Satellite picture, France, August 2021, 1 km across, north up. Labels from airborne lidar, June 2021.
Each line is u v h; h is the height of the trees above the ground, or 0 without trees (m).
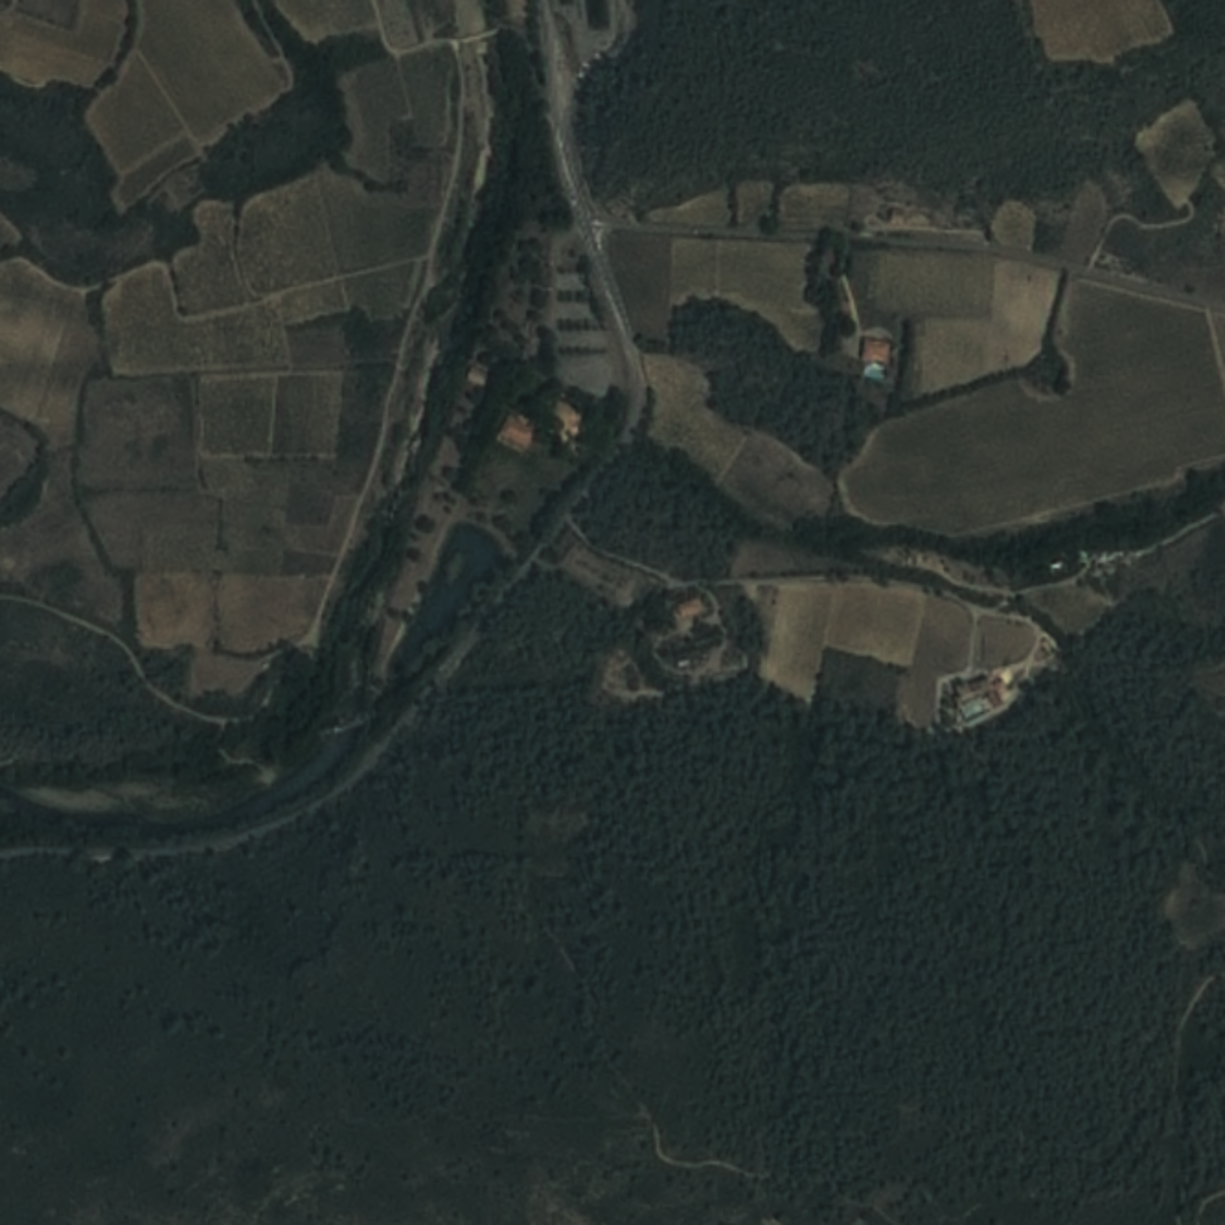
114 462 0
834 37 9
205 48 0
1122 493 0
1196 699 13
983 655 0
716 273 0
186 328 0
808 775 7
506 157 9
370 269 0
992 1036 14
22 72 0
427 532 11
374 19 0
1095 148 7
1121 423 0
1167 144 0
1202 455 0
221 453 0
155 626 0
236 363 0
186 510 0
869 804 13
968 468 0
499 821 9
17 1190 0
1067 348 0
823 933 9
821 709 13
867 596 0
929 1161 9
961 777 17
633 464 14
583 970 12
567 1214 0
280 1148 0
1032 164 7
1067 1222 7
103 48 0
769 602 0
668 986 11
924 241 0
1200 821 12
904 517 0
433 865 8
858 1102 9
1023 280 0
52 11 0
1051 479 0
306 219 0
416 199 0
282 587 0
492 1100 0
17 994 14
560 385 12
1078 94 9
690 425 0
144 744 6
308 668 25
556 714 12
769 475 0
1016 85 7
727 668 0
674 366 0
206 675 0
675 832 7
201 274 0
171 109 0
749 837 17
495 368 11
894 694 0
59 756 16
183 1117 0
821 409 13
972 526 0
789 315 0
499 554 0
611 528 11
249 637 0
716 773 11
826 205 0
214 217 0
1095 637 9
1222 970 11
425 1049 7
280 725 16
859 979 8
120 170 0
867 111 8
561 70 0
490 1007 12
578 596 13
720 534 14
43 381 0
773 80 7
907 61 6
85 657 7
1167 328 0
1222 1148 16
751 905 16
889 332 0
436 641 13
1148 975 15
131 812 0
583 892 9
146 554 0
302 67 8
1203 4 8
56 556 0
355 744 9
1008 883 11
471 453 18
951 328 0
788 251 0
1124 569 8
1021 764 9
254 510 0
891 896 12
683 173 6
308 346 0
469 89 0
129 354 0
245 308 0
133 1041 0
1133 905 12
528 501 0
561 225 16
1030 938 11
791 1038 14
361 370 6
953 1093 10
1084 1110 9
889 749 13
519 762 10
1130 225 0
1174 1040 16
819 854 8
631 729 12
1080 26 0
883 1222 0
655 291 0
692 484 12
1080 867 12
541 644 11
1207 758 14
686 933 12
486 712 13
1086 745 19
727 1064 10
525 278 11
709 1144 8
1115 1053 15
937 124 7
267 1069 6
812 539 15
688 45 7
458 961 7
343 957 0
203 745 7
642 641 13
